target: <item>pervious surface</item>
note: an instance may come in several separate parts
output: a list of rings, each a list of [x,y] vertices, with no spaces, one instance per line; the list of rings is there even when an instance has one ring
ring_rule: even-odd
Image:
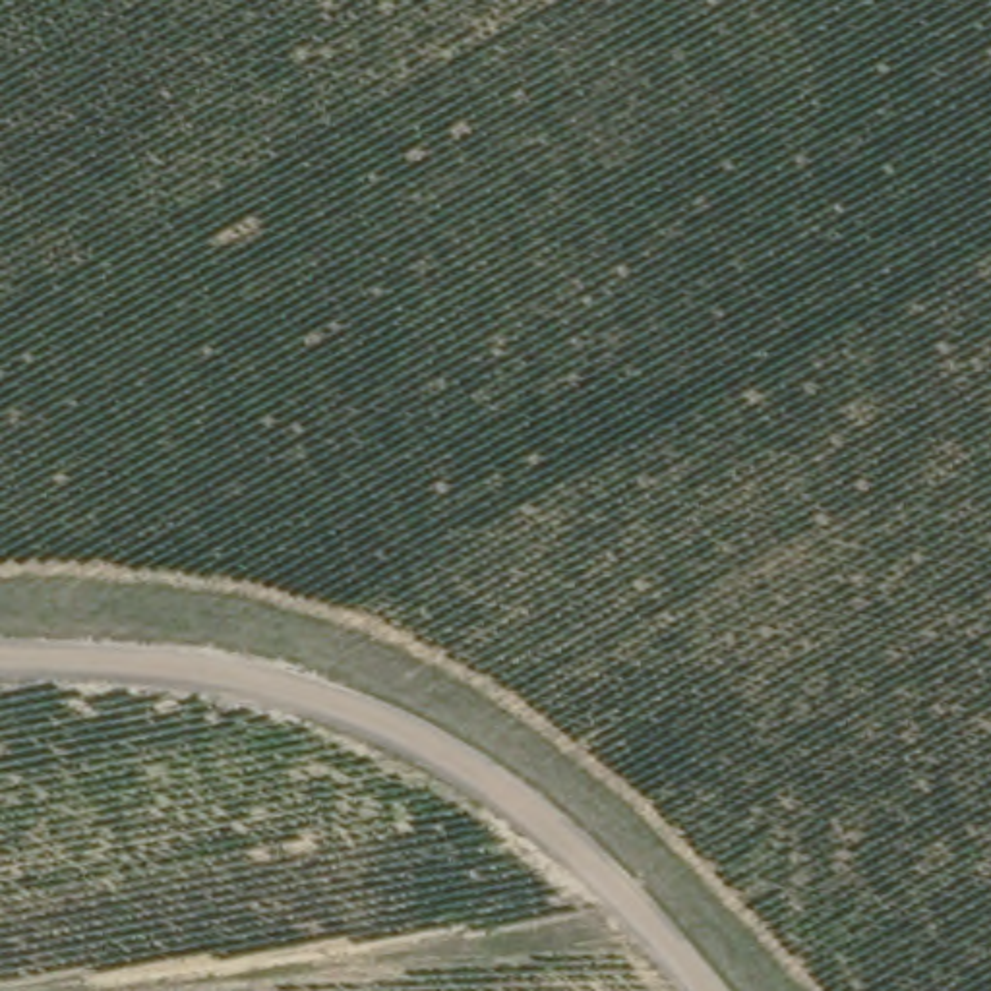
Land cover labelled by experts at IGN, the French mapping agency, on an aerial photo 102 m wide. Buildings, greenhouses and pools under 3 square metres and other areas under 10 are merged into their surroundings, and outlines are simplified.
[[[592,848],[592,840],[581,836],[554,805],[546,805],[530,786],[476,755],[472,747],[449,739],[445,732],[391,705],[379,705],[356,689],[345,689],[321,674],[310,674],[279,658],[252,658],[217,646],[0,639],[0,693],[46,685],[58,670],[186,677],[197,689],[244,689],[252,697],[244,708],[259,712],[267,701],[290,701],[302,712],[356,724],[426,759],[430,766],[461,778],[480,797],[511,809],[526,828],[554,844],[550,859],[557,867],[546,879],[569,902],[577,898],[604,906],[608,929],[631,929],[635,941],[646,945],[674,972],[681,991],[728,991],[712,976],[712,968],[693,952],[693,945],[654,910],[643,886],[627,871],[619,871],[600,848]]]

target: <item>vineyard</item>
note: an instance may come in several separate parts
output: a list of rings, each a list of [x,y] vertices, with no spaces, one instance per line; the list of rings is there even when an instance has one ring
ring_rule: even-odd
[[[805,968],[817,976],[825,991],[991,991],[991,0],[0,0],[0,561],[112,561],[128,569],[178,569],[197,577],[259,581],[294,596],[379,616],[383,623],[395,623],[418,635],[422,643],[441,646],[449,658],[519,693],[565,736],[585,739],[600,763],[608,763],[639,794],[646,794],[654,809],[674,828],[681,828],[681,836],[705,859],[716,863],[720,879],[736,886],[739,898],[774,929],[782,948],[805,960]]]
[[[209,705],[201,697],[178,701],[174,693],[77,693],[46,685],[0,693],[0,991],[650,991],[619,952],[592,956],[592,941],[608,929],[604,906],[577,898],[569,902],[546,879],[530,871],[519,856],[503,852],[492,828],[461,813],[453,801],[441,801],[422,786],[387,778],[372,759],[341,751],[337,743],[310,736],[298,724],[275,724],[259,712],[244,708]]]

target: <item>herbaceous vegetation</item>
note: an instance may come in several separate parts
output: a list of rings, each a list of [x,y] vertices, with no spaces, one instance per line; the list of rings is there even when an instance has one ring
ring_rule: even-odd
[[[418,635],[395,623],[383,623],[379,616],[294,596],[259,581],[197,577],[178,569],[128,569],[112,561],[0,561],[0,639],[217,646],[252,658],[279,658],[310,674],[321,674],[345,689],[356,689],[379,705],[391,705],[445,732],[449,739],[472,747],[476,755],[530,786],[546,805],[554,805],[581,836],[592,840],[592,848],[600,848],[619,871],[627,871],[643,886],[654,910],[693,945],[693,952],[712,968],[712,976],[728,991],[825,991],[817,976],[805,968],[805,960],[782,948],[774,929],[739,898],[736,886],[720,879],[716,863],[705,859],[681,836],[681,828],[674,828],[654,809],[646,794],[639,794],[608,763],[600,763],[585,739],[565,736],[519,693],[449,658],[441,646],[422,643]]]
[[[608,929],[592,941],[592,956],[619,952],[650,991],[681,991],[674,972],[646,945],[635,941],[631,929]]]
[[[197,689],[186,677],[58,670],[46,685],[77,693],[174,693],[178,701],[201,697],[209,705],[244,708],[252,697],[244,689]]]
[[[337,743],[341,751],[372,759],[387,778],[422,786],[441,801],[453,801],[461,813],[492,828],[503,852],[519,856],[530,871],[546,879],[557,867],[550,859],[554,844],[526,828],[511,809],[480,797],[461,778],[430,766],[426,759],[356,724],[302,712],[290,701],[267,701],[259,712],[275,724],[298,724],[310,736]]]

